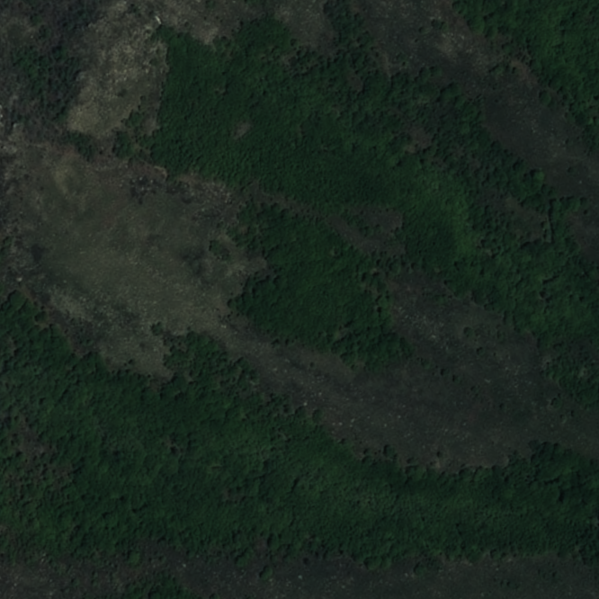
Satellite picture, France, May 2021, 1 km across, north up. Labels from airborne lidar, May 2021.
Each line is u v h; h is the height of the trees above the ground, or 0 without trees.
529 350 0
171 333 0
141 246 0
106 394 24
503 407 10
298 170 16
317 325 27
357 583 0
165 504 24
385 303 19
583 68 23
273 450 16
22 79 11
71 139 11
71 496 13
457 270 26
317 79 15
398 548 18
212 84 12
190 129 14
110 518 25
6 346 15
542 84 6
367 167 25
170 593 10
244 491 14
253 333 0
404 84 10
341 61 16
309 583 0
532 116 0
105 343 0
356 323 31
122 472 27
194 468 17
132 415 21
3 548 13
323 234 19
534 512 20
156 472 27
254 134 12
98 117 0
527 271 22
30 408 24
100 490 22
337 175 16
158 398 19
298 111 24
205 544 16
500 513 17
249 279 9
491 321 0
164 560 8
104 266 0
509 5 17
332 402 0
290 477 26
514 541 14
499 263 19
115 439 21
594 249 0
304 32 0
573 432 0
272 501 27
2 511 15
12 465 17
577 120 9
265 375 0
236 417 23
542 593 0
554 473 28
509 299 18
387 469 21
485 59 0
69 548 11
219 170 14
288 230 12
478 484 19
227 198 0
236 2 0
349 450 13
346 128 19
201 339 15
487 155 7
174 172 11
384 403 0
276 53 9
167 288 0
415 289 0
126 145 15
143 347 0
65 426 22
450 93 17
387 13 0
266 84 18
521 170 19
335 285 22
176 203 0
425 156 8
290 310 24
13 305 15
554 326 21
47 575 0
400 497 19
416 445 0
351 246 10
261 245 8
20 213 0
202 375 15
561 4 23
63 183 0
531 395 0
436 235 10
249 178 8
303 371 0
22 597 0
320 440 15
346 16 12
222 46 11
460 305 0
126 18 0
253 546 7
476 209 14
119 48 0
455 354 0
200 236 0
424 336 0
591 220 0
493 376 0
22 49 13
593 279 18
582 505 27
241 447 18
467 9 23
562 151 0
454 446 0
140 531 18
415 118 16
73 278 0
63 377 17
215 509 20
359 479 25
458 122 11
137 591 12
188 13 0
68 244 0
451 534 18
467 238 22
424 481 19
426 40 0
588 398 14
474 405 0
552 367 9
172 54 9
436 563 7
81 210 0
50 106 12
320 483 21
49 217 0
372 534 20
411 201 28
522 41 9
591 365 7
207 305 0
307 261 18
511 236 17
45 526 15
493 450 0
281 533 14
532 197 10
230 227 7
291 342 12
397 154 23
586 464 24
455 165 12
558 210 17
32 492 18
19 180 0
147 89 0
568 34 22
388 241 7
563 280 20
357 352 16
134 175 0
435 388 0
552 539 17
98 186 0
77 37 0
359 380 0
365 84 9
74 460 17
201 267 0
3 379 21
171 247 0
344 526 13
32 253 0
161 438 12
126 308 0
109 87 0
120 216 0
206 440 26
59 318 0
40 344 19
